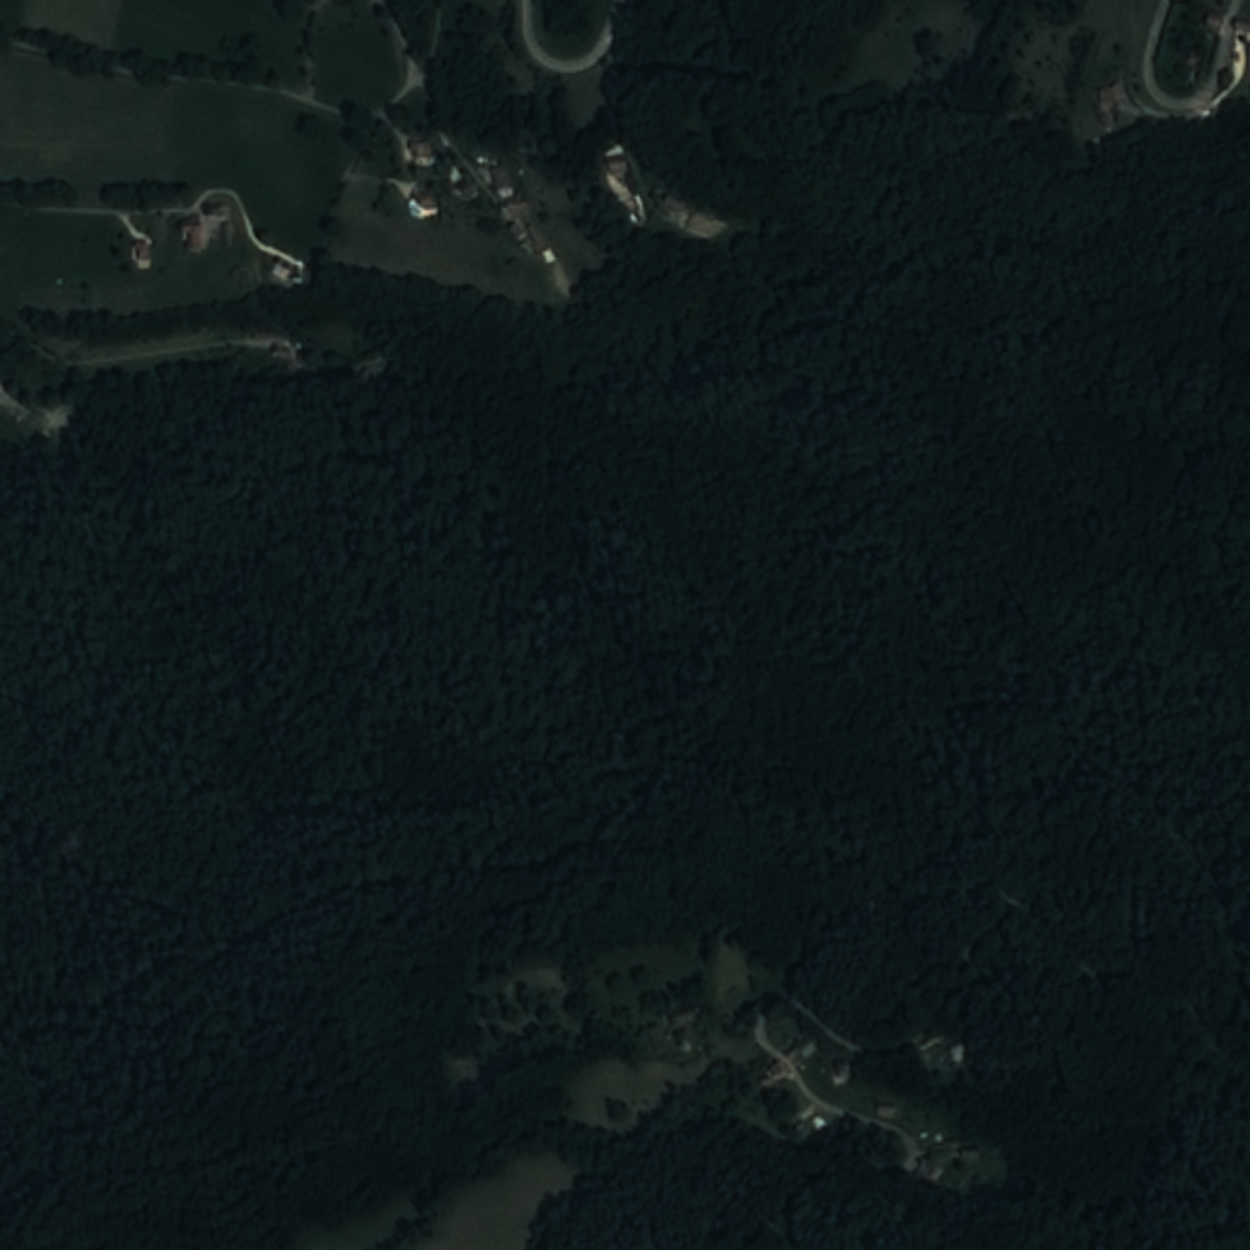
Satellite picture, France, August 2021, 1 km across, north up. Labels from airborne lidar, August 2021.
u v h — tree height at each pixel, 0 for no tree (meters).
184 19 0
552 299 0
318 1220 21
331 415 31
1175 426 28
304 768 23
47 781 30
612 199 14
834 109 14
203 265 0
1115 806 37
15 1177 23
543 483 15
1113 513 24
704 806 27
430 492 30
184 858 23
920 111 19
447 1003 27
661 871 30
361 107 18
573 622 30
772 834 26
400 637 30
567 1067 24
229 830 28
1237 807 26
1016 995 28
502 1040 13
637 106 20
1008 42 7
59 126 0
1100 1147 11
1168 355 19
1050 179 17
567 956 28
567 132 16
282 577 24
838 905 21
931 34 13
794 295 25
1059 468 24
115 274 0
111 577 13
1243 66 0
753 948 29
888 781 22
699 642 9
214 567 22
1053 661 27
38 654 23
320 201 0
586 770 23
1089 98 0
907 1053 14
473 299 14
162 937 28
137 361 0
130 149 0
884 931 31
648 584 26
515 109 12
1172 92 6
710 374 27
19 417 0
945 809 25
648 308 22
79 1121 18
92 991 29
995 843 18
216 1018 27
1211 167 22
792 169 28
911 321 23
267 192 0
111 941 17
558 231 0
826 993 31
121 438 31
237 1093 35
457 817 35
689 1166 23
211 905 23
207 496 22
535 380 17
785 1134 10
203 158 0
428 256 0
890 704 15
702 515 11
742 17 19
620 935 24
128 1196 28
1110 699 31
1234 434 35
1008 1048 27
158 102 0
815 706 14
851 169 27
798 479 27
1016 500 28
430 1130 28
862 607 11
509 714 16
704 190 17
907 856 23
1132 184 18
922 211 26
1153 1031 28
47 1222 28
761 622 18
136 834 23
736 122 17
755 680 10
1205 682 8
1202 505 30
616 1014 7
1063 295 30
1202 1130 31
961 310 21
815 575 16
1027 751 33
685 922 27
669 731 14
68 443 13
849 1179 31
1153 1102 30
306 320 11
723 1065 9
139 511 10
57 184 15
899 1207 30
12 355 27
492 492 17
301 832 28
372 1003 29
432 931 29
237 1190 17
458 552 29
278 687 32
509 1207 0
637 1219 29
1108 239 31
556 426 15
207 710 13
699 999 10
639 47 17
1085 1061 26
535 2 12
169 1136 33
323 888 31
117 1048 24
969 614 19
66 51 15
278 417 34
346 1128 27
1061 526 29
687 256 15
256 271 0
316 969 28
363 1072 30
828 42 21
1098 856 31
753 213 18
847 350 24
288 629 17
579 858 33
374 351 8
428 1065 31
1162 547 30
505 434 15
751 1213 26
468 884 34
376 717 21
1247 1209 29
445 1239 0
